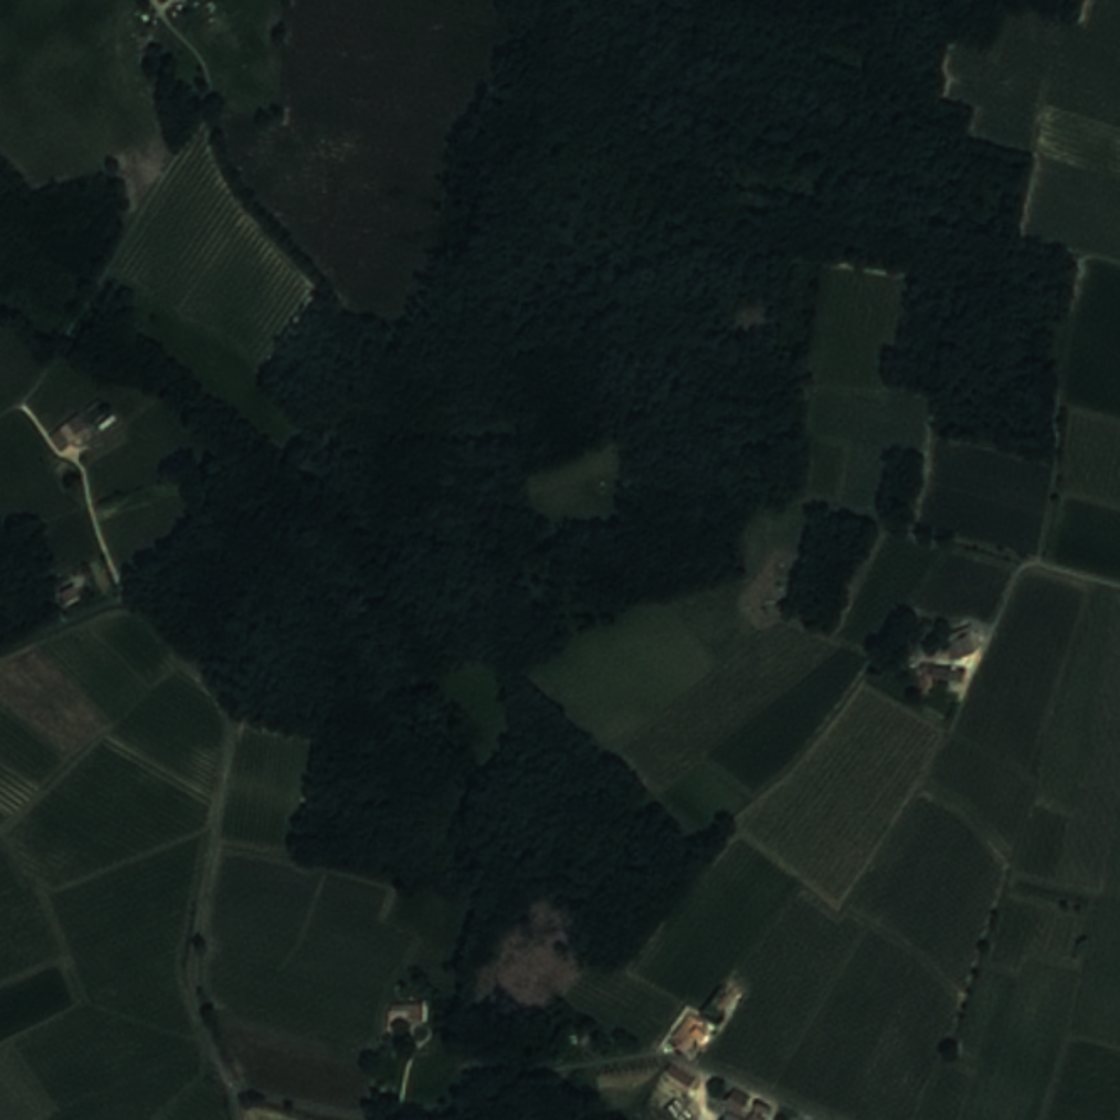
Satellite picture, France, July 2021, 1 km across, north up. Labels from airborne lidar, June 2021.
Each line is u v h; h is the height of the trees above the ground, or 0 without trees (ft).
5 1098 0
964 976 0
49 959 0
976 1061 0
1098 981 0
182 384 59
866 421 0
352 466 82
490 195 84
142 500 0
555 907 79
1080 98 0
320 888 0
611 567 68
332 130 0
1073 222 0
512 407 84
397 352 75
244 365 0
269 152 0
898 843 0
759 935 0
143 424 0
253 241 0
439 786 88
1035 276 61
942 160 79
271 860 0
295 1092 0
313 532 83
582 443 59
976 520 0
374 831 71
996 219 30
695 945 0
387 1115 61
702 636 0
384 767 80
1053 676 0
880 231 50
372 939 0
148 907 0
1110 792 0
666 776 0
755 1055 0
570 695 0
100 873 0
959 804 0
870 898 0
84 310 35
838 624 28
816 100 52
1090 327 0
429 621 76
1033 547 0
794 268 62
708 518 73
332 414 81
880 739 0
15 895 0
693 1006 0
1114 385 0
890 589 0
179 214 0
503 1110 77
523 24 66
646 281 81
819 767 0
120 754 0
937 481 0
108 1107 0
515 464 64
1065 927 0
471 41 0
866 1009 0
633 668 0
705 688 0
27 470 0
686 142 64
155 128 0
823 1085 0
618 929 90
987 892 0
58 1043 0
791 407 84
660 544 72
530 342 65
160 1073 0
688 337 73
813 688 0
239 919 0
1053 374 62
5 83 0
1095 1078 0
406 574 85
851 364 0
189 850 0
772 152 73
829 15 62
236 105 0
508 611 66
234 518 55
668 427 56
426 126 0
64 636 0
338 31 0
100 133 0
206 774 0
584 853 85
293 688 79
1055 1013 0
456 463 57
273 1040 0
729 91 60
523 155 79
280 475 73
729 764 0
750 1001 0
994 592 0
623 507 66
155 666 0
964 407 54
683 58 68
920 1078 0
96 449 0
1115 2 0
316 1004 0
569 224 77
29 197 48
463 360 82
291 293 0
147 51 26
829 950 0
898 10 63
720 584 48
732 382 53
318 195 0
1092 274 0
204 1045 0
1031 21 0
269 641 78
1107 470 0
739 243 65
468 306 78
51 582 44
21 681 0
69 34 0
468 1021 82
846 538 56
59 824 0
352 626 92
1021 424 60
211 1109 0
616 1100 0
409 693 80
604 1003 0
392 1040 26
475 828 78
